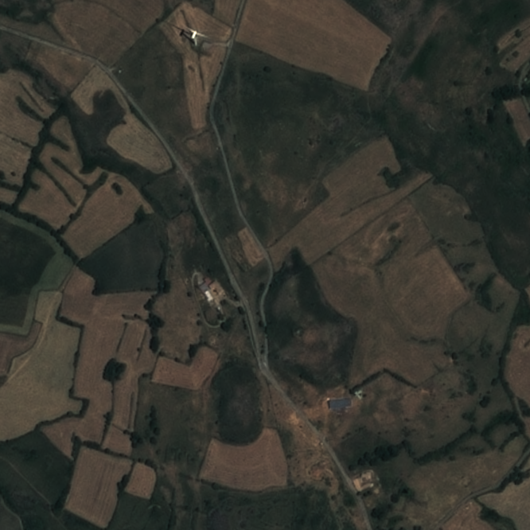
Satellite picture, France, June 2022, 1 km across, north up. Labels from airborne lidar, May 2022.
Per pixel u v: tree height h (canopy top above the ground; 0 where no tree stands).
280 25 0
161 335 0
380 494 0
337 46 0
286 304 0
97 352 0
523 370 0
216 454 0
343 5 0
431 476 0
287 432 0
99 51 0
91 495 0
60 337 0
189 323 0
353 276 0
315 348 0
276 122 0
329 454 0
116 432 0
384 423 0
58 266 0
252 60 0
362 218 0
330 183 0
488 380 0
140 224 8
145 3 0
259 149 0
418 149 0
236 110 0
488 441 5
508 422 9
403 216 0
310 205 0
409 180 0
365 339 0
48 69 0
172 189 0
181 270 0
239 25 0
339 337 0
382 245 0
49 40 0
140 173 0
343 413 0
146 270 0
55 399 0
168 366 0
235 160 0
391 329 0
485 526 0
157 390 0
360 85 0
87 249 0
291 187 0
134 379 0
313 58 0
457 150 0
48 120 9
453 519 0
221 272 0
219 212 0
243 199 0
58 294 0
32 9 0
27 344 0
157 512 0
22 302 0
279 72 0
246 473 0
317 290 0
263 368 0
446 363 0
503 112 0
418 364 0
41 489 0
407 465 0
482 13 0
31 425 0
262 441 0
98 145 0
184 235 0
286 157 0
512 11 0
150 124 0
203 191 0
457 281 0
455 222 0
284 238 0
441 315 0
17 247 0
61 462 0
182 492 0
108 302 0
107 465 0
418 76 0
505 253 0
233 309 0
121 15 0
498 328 0
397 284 0
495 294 0
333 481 0
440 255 0
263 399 0
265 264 0
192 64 0
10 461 0
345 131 0
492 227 0
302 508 0
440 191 0
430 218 0
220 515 0
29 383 0
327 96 0
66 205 0
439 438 0
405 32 0
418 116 0
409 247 0
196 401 0
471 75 0
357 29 0
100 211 0
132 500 0
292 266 0
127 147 0
